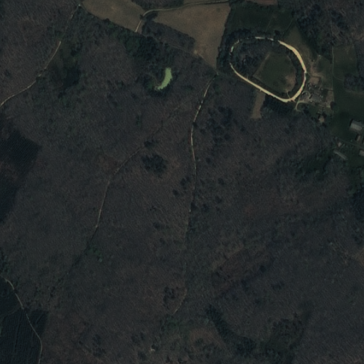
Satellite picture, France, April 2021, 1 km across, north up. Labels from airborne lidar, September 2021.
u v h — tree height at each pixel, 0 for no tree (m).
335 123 0
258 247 19
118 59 20
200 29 0
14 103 12
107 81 15
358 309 18
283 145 20
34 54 17
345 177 13
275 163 8
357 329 15
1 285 10
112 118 18
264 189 9
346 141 0
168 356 16
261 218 10
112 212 13
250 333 20
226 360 16
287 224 23
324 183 16
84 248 12
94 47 18
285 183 14
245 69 20
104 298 9
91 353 20
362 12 13
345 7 9
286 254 20
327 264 16
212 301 19
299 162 11
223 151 14
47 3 15
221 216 19
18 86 12
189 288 20
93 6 0
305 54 0
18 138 6
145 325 16
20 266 15
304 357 19
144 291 12
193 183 7
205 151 14
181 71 8
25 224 15
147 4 13
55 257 10
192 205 12
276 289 23
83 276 18
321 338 19
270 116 16
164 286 13
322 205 9
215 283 6
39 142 13
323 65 0
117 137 18
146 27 13
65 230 16
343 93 0
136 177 13
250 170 19
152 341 13
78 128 21
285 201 6
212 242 21
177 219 20
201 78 21
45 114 18
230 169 13
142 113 10
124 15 0
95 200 8
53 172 12
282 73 0
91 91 13
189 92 20
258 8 8
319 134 22
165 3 11
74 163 16
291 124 14
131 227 19
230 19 10
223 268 8
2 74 13
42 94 17
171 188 14
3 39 17
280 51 9
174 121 10
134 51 21
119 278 16
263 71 0
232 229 19
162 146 13
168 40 13
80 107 24
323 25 10
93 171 17
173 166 11
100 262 17
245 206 7
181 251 23
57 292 8
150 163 24
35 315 8
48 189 16
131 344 17
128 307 14
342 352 17
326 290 20
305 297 21
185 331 24
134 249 14
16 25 17
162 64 22
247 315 25
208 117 17
